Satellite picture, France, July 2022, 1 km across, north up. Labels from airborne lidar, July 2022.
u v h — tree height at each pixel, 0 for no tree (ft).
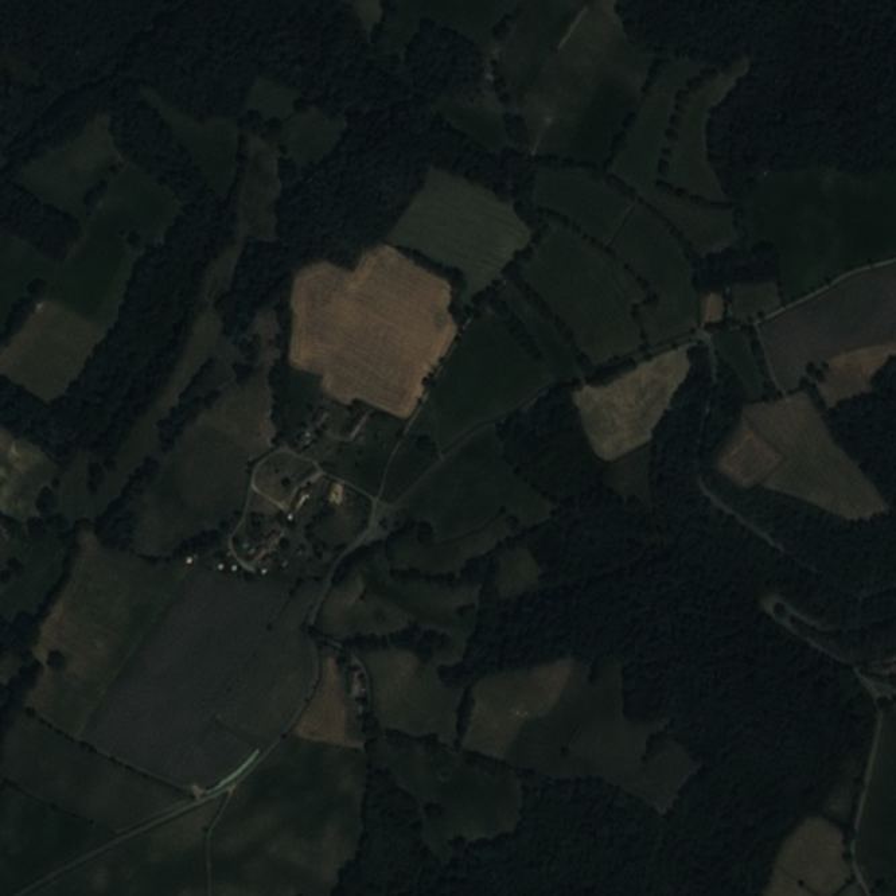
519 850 45
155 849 0
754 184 52
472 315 46
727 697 75
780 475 0
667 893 20
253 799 0
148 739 0
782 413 0
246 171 18
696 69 0
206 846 0
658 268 0
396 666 0
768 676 75
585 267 0
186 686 0
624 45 0
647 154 0
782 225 0
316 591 0
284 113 0
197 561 0
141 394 35
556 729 0
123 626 0
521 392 0
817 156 47
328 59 65
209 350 0
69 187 0
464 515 0
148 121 80
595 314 0
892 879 0
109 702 0
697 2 59
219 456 0
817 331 0
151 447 0
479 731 0
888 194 0
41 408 75
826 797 52
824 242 0
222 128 0
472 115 0
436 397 0
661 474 28
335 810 0
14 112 50
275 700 0
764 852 47
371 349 0
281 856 0
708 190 0
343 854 0
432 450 49
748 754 51
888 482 47
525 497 0
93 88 88
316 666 0
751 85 69
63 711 0
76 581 0
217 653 0
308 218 58
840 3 82
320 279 0
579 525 40
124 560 0
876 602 58
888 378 31
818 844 0
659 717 36
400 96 30
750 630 80
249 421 0
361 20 18
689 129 0
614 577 85
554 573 52
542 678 0
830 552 51
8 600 0
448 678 63
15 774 0
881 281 0
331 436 0
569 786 40
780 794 58
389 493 0
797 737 57
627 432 0
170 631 0
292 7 67
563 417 54
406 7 0
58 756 0
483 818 0
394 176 23
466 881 92
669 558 84
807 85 88
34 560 0
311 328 0
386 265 0
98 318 0
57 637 0
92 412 79
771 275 39
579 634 50
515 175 54
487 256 0
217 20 45
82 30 38
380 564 0
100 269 0
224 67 55
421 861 20
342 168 42
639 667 56
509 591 0
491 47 0
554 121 0
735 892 78
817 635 48
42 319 0
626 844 43
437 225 0
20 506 0
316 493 0
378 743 41
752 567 36
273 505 0
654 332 0
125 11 60
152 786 0
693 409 50
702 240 0
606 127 0
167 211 0
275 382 61
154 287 76
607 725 0
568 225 47
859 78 76
